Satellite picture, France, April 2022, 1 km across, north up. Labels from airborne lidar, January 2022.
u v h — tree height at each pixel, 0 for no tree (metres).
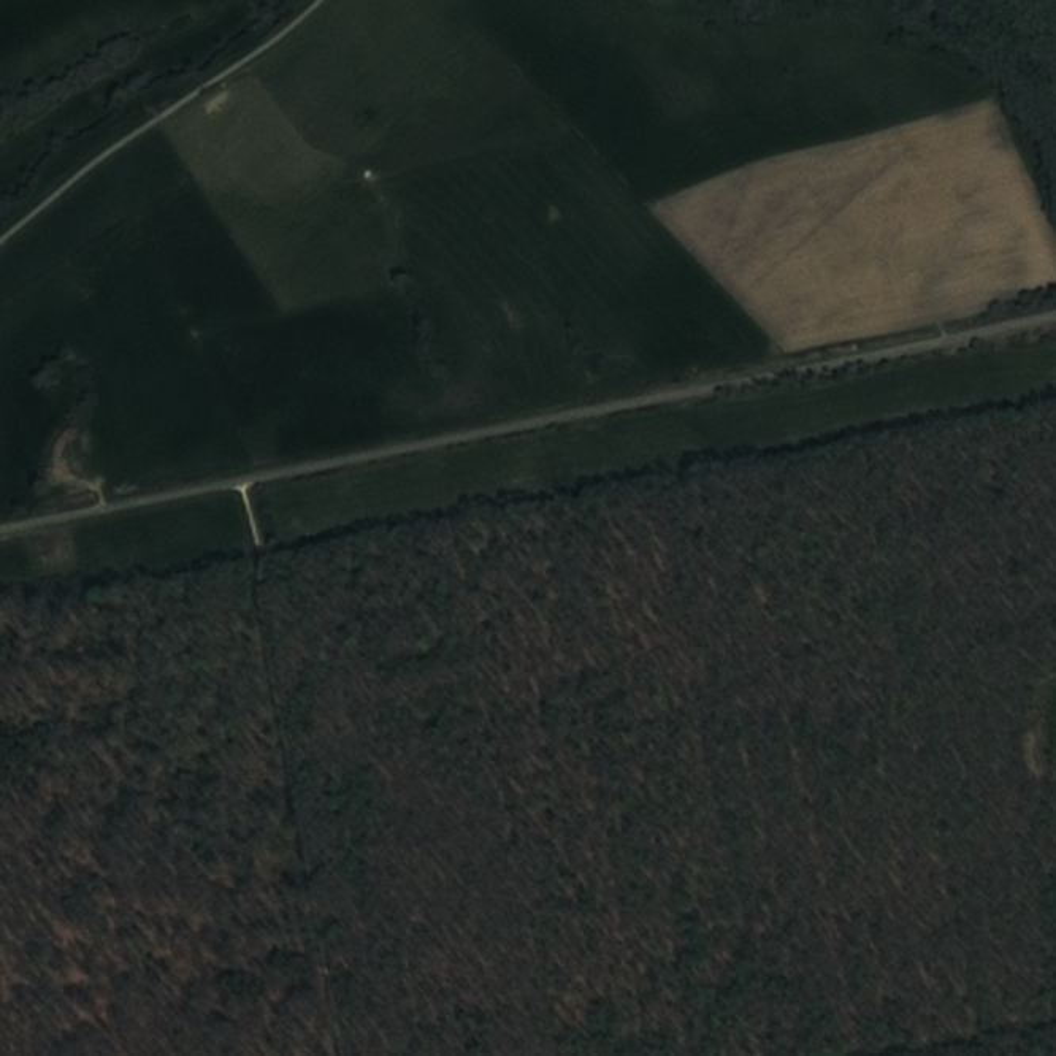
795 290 0
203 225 0
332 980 23
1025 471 27
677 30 0
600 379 0
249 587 21
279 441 0
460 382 0
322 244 0
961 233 0
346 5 0
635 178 0
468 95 0
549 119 0
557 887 24
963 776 22
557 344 0
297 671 24
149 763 31
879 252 0
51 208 0
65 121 0
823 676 24
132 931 28
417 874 25
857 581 25
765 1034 29
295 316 0
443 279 0
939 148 0
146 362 0
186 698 30
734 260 0
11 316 0
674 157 0
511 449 0
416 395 0
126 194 0
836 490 25
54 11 0
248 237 0
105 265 0
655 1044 25
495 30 0
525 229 0
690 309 0
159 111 0
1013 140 0
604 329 0
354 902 26
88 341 0
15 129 14
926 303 0
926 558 26
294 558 19
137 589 25
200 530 0
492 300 0
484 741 25
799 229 0
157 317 0
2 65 0
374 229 0
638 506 28
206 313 0
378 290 0
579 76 0
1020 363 0
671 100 0
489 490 0
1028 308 10
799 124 0
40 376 10
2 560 0
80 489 0
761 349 0
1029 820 25
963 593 26
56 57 0
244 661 30
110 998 24
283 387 0
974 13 22
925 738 22
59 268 0
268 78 0
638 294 0
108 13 0
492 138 0
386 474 0
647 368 0
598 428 0
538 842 28
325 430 0
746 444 0
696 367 0
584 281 0
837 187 0
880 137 0
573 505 22
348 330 0
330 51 0
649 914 25
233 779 27
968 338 0
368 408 0
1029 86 27
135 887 30
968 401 0
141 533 0
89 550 0
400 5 0
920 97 0
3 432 0
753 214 0
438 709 25
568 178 0
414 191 0
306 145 0
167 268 0
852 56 0
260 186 0
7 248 0
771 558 23
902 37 9
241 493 0
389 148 0
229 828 32
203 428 0
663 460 0
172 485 0
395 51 0
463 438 0
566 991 26
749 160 0
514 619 18
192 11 0
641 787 27
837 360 0
